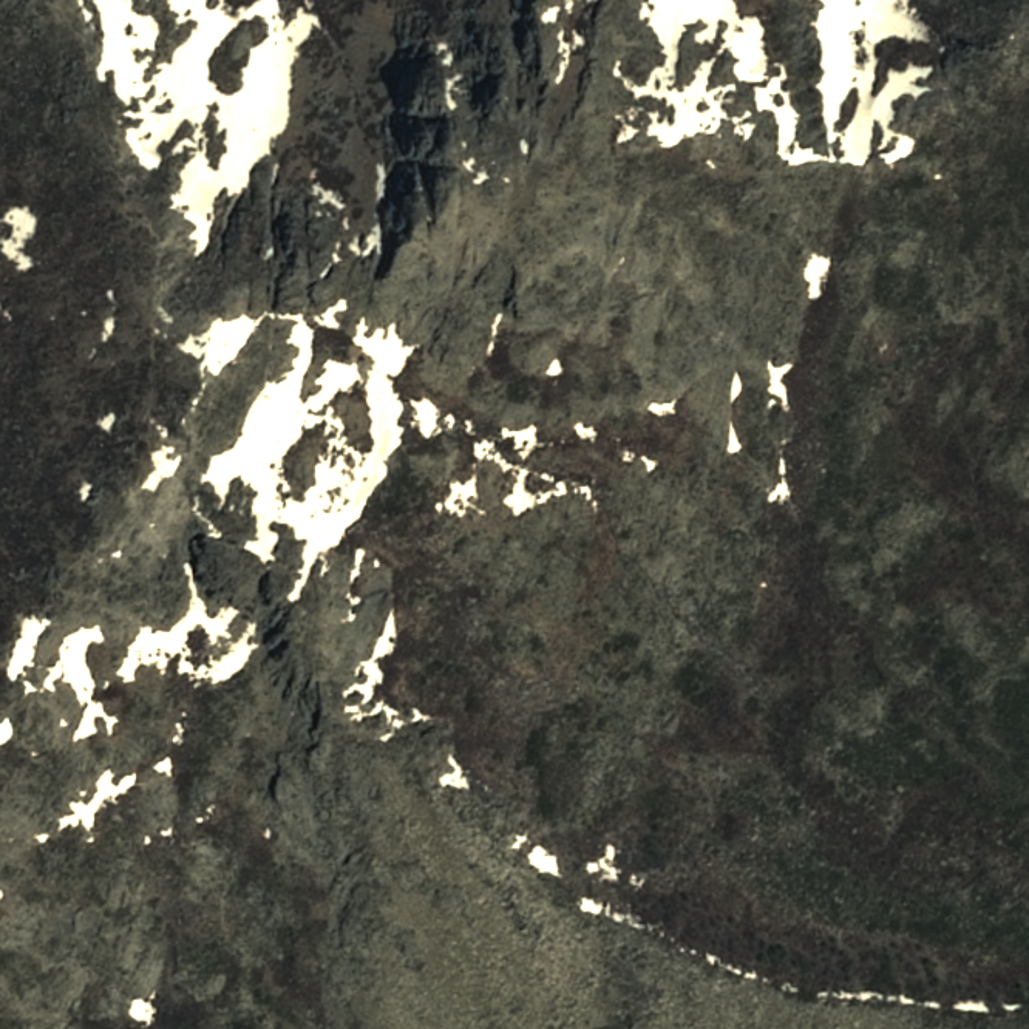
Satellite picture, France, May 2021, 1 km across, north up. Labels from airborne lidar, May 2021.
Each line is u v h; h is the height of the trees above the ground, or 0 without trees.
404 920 0
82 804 0
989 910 0
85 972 0
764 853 0
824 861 8
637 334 0
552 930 0
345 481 0
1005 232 0
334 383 0
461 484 0
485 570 0
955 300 0
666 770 10
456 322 0
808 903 0
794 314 0
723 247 0
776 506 11
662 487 0
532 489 0
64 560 0
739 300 0
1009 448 0
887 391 0
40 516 0
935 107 0
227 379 0
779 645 11
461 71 0
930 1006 0
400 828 0
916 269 0
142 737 0
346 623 0
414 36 0
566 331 0
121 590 0
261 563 0
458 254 0
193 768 0
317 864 0
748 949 11
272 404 0
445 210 0
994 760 0
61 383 0
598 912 0
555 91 0
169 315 0
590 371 0
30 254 0
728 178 0
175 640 0
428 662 0
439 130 0
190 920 6
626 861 10
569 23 0
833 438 0
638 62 0
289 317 0
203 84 0
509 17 0
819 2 0
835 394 0
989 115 0
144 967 0
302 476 0
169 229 0
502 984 0
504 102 0
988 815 0
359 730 0
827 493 0
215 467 0
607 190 0
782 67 0
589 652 0
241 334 0
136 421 0
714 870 0
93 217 0
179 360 0
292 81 0
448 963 0
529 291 0
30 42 0
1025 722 0
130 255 0
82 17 0
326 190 0
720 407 0
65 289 0
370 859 0
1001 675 0
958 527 0
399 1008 0
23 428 0
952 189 0
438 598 0
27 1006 0
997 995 11
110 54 0
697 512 0
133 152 0
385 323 0
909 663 0
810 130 0
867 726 0
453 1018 0
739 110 0
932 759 0
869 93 0
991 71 0
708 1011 0
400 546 0
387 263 0
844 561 0
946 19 0
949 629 0
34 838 0
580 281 0
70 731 0
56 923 0
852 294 0
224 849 0
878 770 0
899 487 0
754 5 0
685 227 0
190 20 0
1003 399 7
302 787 0
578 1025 0
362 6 0
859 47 0
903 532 0
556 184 0
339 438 0
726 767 11
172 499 0
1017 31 0
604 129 0
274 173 0
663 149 0
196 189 0
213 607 0
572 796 7
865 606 0
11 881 0
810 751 0
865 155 0
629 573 0
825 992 0
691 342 0
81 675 0
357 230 0
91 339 0
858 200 0
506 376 0
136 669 0
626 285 0
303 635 0
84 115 0
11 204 0
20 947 0
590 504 0
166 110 0
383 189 0
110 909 0
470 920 0
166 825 0
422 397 0
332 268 0
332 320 0
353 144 0
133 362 0
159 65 0
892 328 0
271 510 0
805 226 0
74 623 0
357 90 0
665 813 0
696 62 0
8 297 0
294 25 0
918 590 7
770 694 0
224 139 0
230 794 0
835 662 0
